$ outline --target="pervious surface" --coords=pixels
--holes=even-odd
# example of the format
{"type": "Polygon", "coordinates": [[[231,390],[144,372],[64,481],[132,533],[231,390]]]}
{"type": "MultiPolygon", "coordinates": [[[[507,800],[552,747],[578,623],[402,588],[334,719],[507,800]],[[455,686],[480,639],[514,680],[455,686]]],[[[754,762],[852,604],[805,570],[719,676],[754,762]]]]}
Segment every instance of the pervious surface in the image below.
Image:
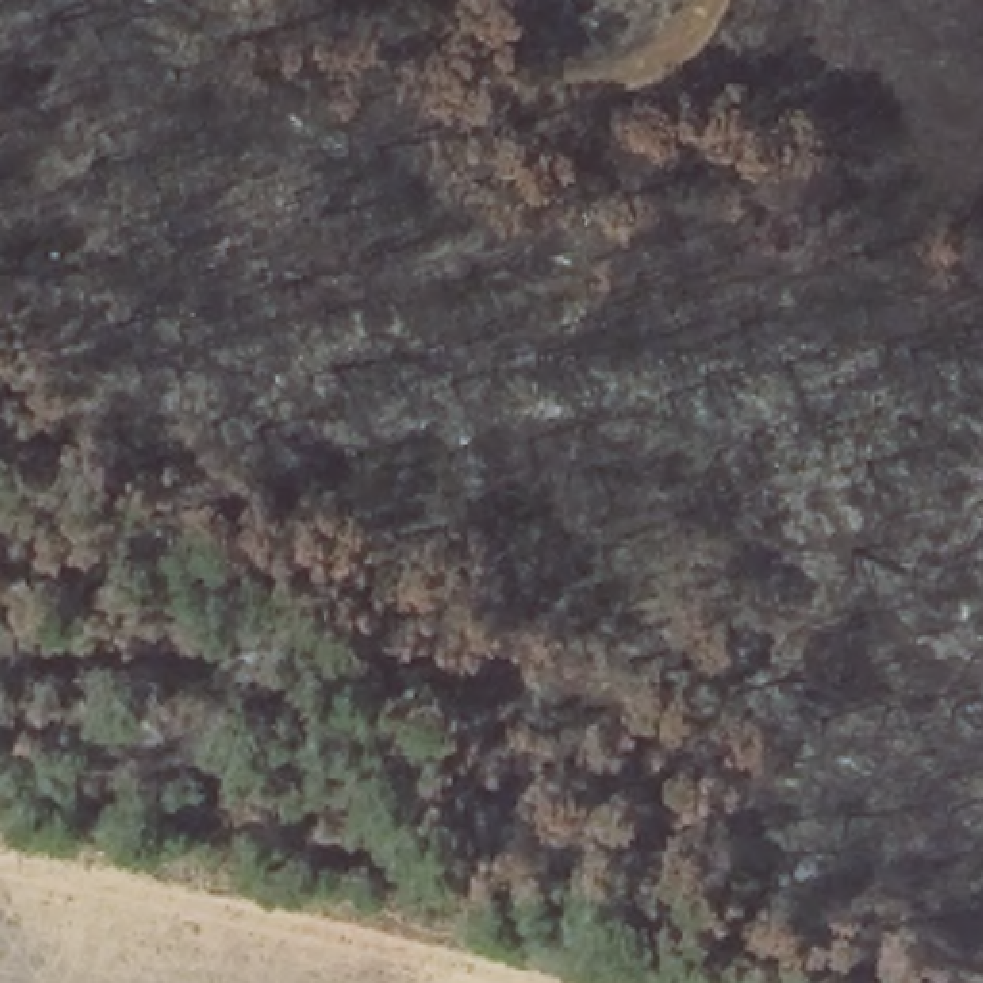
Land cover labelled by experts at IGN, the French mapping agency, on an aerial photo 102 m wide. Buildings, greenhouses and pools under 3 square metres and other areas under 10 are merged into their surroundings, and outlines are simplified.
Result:
{"type": "Polygon", "coordinates": [[[730,0],[691,0],[683,12],[660,15],[657,38],[634,58],[607,58],[564,69],[576,84],[614,81],[622,88],[657,84],[672,69],[691,61],[714,38],[714,27],[726,15],[730,0]]]}

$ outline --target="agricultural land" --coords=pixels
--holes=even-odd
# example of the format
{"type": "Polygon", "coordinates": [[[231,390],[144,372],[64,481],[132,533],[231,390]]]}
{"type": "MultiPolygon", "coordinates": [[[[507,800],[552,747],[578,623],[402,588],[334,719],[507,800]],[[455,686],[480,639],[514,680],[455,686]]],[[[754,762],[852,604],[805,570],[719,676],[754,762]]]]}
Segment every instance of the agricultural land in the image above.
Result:
{"type": "Polygon", "coordinates": [[[269,910],[242,895],[188,891],[180,883],[157,883],[150,875],[115,868],[104,852],[81,845],[73,860],[35,856],[19,849],[8,849],[0,856],[0,983],[561,983],[541,971],[511,968],[503,960],[468,952],[384,933],[361,922],[334,922],[311,910],[269,910]]]}

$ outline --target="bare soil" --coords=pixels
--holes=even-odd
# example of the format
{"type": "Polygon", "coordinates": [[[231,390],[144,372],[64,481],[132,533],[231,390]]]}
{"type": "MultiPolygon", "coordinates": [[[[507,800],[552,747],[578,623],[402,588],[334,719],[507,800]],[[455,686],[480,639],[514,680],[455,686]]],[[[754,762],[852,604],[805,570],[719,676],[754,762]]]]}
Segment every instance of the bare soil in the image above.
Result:
{"type": "Polygon", "coordinates": [[[468,952],[468,937],[453,922],[426,925],[403,910],[380,910],[369,895],[369,879],[357,872],[346,872],[342,887],[326,891],[307,872],[307,864],[296,864],[288,872],[261,872],[257,849],[246,837],[234,837],[219,849],[192,845],[188,856],[161,860],[150,875],[157,883],[180,883],[188,891],[242,895],[269,910],[311,910],[334,922],[361,922],[384,933],[468,952]]]}
{"type": "Polygon", "coordinates": [[[730,223],[707,196],[699,169],[660,165],[641,230],[630,234],[630,242],[611,242],[572,219],[557,230],[534,230],[526,223],[495,219],[422,157],[422,150],[411,138],[411,127],[388,104],[315,108],[292,96],[280,81],[250,73],[246,50],[265,35],[265,27],[276,23],[273,0],[0,0],[0,365],[31,349],[50,349],[61,380],[61,399],[92,399],[92,411],[104,415],[96,422],[96,442],[111,442],[127,453],[138,453],[154,434],[180,438],[196,457],[207,461],[253,457],[307,465],[311,457],[330,457],[342,445],[361,503],[372,515],[396,515],[399,507],[438,495],[465,495],[476,499],[476,507],[503,507],[507,545],[495,564],[499,584],[534,591],[549,614],[564,614],[576,626],[576,637],[611,634],[618,645],[645,637],[649,622],[641,614],[641,603],[664,603],[664,549],[683,549],[695,561],[707,557],[714,564],[714,584],[726,591],[722,645],[733,668],[733,687],[745,699],[749,722],[764,737],[764,764],[741,772],[737,779],[737,810],[753,810],[756,822],[764,822],[768,841],[783,849],[795,872],[779,872],[779,891],[806,925],[856,925],[852,964],[879,968],[883,937],[914,933],[914,945],[906,948],[910,968],[902,968],[914,983],[983,983],[983,0],[730,0],[726,15],[714,27],[714,38],[691,61],[672,69],[657,84],[622,88],[614,81],[576,84],[564,69],[607,58],[634,58],[657,38],[660,15],[683,12],[691,0],[515,0],[515,69],[518,77],[538,84],[538,96],[549,96],[557,104],[622,104],[626,96],[634,96],[637,104],[660,108],[672,123],[691,123],[703,131],[710,123],[718,127],[733,119],[756,134],[760,127],[772,127],[783,115],[799,111],[814,127],[822,127],[822,150],[810,165],[810,177],[803,177],[783,204],[772,207],[764,230],[745,230],[730,223]]]}
{"type": "Polygon", "coordinates": [[[35,818],[19,826],[8,814],[0,818],[0,856],[8,849],[19,849],[35,856],[73,860],[81,845],[69,833],[38,833],[35,818]]]}

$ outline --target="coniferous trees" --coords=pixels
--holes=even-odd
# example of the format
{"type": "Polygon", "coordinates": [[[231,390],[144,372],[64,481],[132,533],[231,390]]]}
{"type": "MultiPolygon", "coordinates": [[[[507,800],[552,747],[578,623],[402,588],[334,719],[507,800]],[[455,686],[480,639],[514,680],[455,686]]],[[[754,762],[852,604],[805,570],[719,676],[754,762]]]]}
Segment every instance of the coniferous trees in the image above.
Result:
{"type": "Polygon", "coordinates": [[[822,127],[814,127],[799,111],[783,115],[772,127],[760,127],[756,134],[733,119],[718,127],[710,123],[703,131],[691,123],[672,123],[660,108],[637,104],[634,96],[626,96],[622,104],[557,104],[549,96],[538,96],[538,84],[518,77],[515,69],[515,0],[273,0],[276,23],[265,27],[265,35],[246,50],[250,73],[280,81],[292,96],[315,108],[388,104],[411,127],[411,138],[422,150],[422,157],[495,219],[526,223],[534,230],[557,230],[572,219],[611,242],[630,242],[630,234],[641,230],[660,165],[699,169],[707,196],[730,223],[745,230],[764,230],[772,207],[783,204],[803,177],[810,177],[810,165],[822,150],[822,127]]]}
{"type": "Polygon", "coordinates": [[[180,438],[154,434],[138,453],[127,453],[111,442],[96,442],[96,422],[104,415],[92,411],[92,399],[61,399],[61,380],[50,349],[31,349],[0,365],[0,818],[8,814],[19,826],[35,818],[38,833],[69,833],[81,845],[104,852],[115,868],[150,875],[161,860],[188,856],[192,845],[219,849],[234,837],[246,837],[257,849],[261,872],[288,872],[296,864],[307,864],[307,872],[326,891],[342,887],[346,872],[357,872],[369,879],[369,895],[380,910],[403,910],[426,925],[453,922],[468,937],[468,952],[503,960],[511,968],[541,971],[561,983],[914,983],[902,968],[910,968],[906,948],[914,945],[914,933],[883,937],[879,968],[852,964],[856,925],[806,925],[779,891],[779,872],[795,872],[783,849],[768,841],[764,822],[756,822],[753,810],[737,810],[737,779],[741,772],[764,764],[764,737],[749,722],[745,699],[733,687],[733,668],[722,645],[726,591],[714,584],[714,564],[707,557],[695,561],[683,549],[664,549],[664,603],[641,603],[641,614],[649,622],[645,637],[618,645],[611,634],[576,637],[576,626],[564,614],[549,614],[534,591],[499,584],[495,564],[507,545],[503,507],[476,507],[476,499],[465,495],[438,495],[399,507],[396,515],[372,515],[361,503],[342,445],[330,457],[311,457],[307,465],[253,457],[207,461],[196,457],[180,438]]]}

